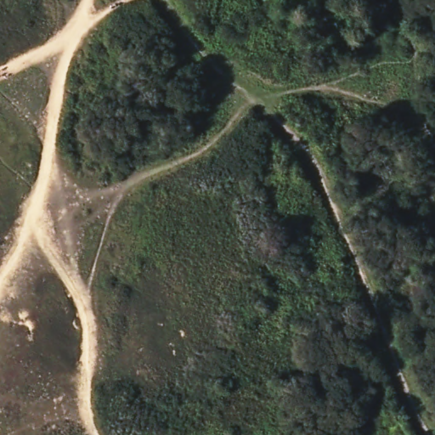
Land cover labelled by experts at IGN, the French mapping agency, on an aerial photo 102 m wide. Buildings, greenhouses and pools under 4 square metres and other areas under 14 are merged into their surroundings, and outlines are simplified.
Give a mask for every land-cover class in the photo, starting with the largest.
<instances>
[{"label":"herbaceous vegetation","instance_id":"1","mask_svg":"<svg viewBox=\"0 0 435 435\"><path fill-rule=\"evenodd\" d=\"M56 32L48 25V15L42 7V0H0V65H5L10 59L46 44ZM285 0H224L221 24L214 34H207L199 20H194L187 27L195 39L201 41L202 46L211 53L201 61L202 73L197 76L199 85L206 88V99L202 100L199 112L184 114L185 124L192 126V133L199 138L201 144L206 143L207 136L217 133L221 127L226 126L229 116L234 112L233 102L228 99V95L233 93L236 85L245 87L255 97V105H262L267 114H279L284 105L292 104V100L296 99L292 93L309 92L308 85H323L333 82L338 76H343L340 87L353 92H370L381 99L384 104L382 107L386 110L389 121L398 122L404 133L408 136H421L427 141L425 148L435 163V129L428 126L425 116L416 112L411 105L421 93V80H415V65L398 59L359 61L347 58L338 68H330L328 73L323 75H314L313 71H309L313 61L311 42L306 37V29L313 27L314 19H306L302 12L297 10L292 14L284 12L282 5ZM53 78L36 63L19 73H10L7 80H0V246L5 245V234L15 228L17 219L22 214V204L36 185L42 156L39 129L48 122L46 107ZM268 127L248 112L234 126L231 133L226 134L209 150V155L189 161L173 172L163 173L155 180H146L143 184L127 190L110 224H105V206L114 202L112 194L107 195L105 199L85 202L73 214L71 238L75 250L80 253V279L82 282L88 279L92 263L97 265V275L90 289V306L97 323L92 410L93 421L100 435H143V432L136 428H122L121 420H131V415L119 413V416L110 418L109 401L100 398L105 394L102 381L114 382L124 377L136 376V382L144 387L168 389V382H173L180 393L187 391L192 394L201 386L202 379L219 381L226 391L236 393L240 391V379L236 376L240 374V369L236 362V352L241 347H246L248 342L251 345H260L263 348V359L270 360L282 372L308 369V365L313 362V342H302L301 335H311L314 331V326L291 325L285 328L284 318L291 311L289 297L280 296L279 301H275L267 297L268 289L279 292V279L274 275L277 268H289L292 272L294 260L297 258L285 253L292 246L285 236V228L268 221V217L265 216V197L260 195L253 184V175L262 170L258 165L255 150L258 139ZM58 168H61L70 180L80 185V189H107L110 185L97 170H88L82 165L78 172H75L71 165V156L59 155L56 151ZM396 156L381 155L376 151L367 158L359 156L357 161V172L360 173L355 182L359 189V197L370 194L374 199H381L387 190L394 189ZM31 260L22 265L25 268V279L17 282V296L8 301V313L0 314V435H87L78 410L82 321L78 318L75 302L68 294L66 285L54 272L46 255L42 250L39 253H29ZM410 275L401 285V292L408 294L411 301L415 297H420L421 289L427 287L423 268L413 265L410 268ZM394 348L403 360L406 386L415 398L420 399L423 418L421 428L435 433V401L428 398L427 393H423V389L416 381L413 372L416 360L415 342L399 338L401 325L394 319L391 321Z\"/></svg>","mask_w":435,"mask_h":435},{"label":"brushwood","instance_id":"2","mask_svg":"<svg viewBox=\"0 0 435 435\"><path fill-rule=\"evenodd\" d=\"M172 31L158 17L155 8L151 7L150 0H134L122 3L121 7H117L105 19L100 20L99 24L83 37L73 54L66 75L65 100L59 116L56 151L59 155L71 156V165L75 172H78L82 165L88 170H97L110 185L124 182L134 173L143 172L146 168L167 163L178 156L189 155L201 144L199 138L192 133V126L185 124L184 114L199 112L202 100L206 99V88L199 85L197 76L202 73L201 61L194 58L189 65L182 54L173 56L175 42L172 41ZM167 2L168 7L177 12L187 27L194 20H199L207 34H214L221 24L224 0H163ZM328 10L336 19L345 22L340 32L348 46H359L360 42L374 31L365 15L364 0H330ZM296 99L292 100V104L284 105L279 114L282 117L291 114L292 122L299 124V131L313 133L321 153L325 156V163L331 161L338 168L342 178L338 184H333V190L340 194V201L336 204L340 207L342 216L335 219L331 207H323V202L313 187L306 180H302L299 165L284 168L289 150L277 141L275 134L268 127L258 139L255 150L258 165L262 170L253 175V184L260 195L265 197V216L268 217V221L285 228V236L292 246L285 253L297 258L294 260L292 272L289 268H277L274 275L279 279V292L268 289L267 297L275 301H279L280 296L289 297L291 311L284 318L285 328L291 325L314 326V331H330L331 326L343 319V311L347 304H357V285L362 284V279L353 260L352 251L348 250L347 241L343 238L345 234H350L352 238L359 229L353 226V216H357L360 209H374L389 219V223L401 224L403 228L408 229L413 238V245L418 248L420 255H432L435 246V163L425 148L427 141L421 136H408L404 133L398 122L389 121L386 110L382 107L367 104L362 100L348 99L336 93L309 92L292 93ZM376 151L381 155L396 156L394 189L387 190L381 199H374L370 194L359 197V189L355 182L360 173L357 172V161L359 156L367 158ZM236 362L240 369V374L236 376L240 379V391L236 393L226 391L219 381L202 379L201 386L192 394L187 391L180 393L173 382H168V389L144 387L136 382V376L124 377L114 382L102 381L105 394L100 398L109 401L110 418L119 416V413L131 415V420H121L122 428H136L143 432V435H280L282 428L285 427L284 404L280 401H270L265 382L279 381L282 372L270 360L263 359V348L260 345H251L248 342L246 347H241L236 352ZM374 435H415L411 432L404 415L398 413L396 408L387 411L382 406Z\"/></svg>","mask_w":435,"mask_h":435},{"label":"pervious surface","instance_id":"3","mask_svg":"<svg viewBox=\"0 0 435 435\"><path fill-rule=\"evenodd\" d=\"M134 0H80L75 14L71 15V19L61 31L56 32L46 44L10 59L5 65H0V80H7L10 73H19L36 63L53 78L46 107L48 122L39 129L42 156L36 185L22 204V214L17 219L15 228L5 234V245L0 246V314L8 313V301L17 296V282L25 279V268L22 265L31 260L29 253H39L42 250L46 255L54 272L66 285L68 294L75 302L78 318L82 321L78 410L87 435H100L93 421L92 410L97 323L90 306V289L97 275V265L92 263L88 279L82 282L80 279V253L75 250L71 238L73 214L85 202L105 199L107 195L112 194L114 202L105 206V224H110L127 190L143 184L146 180H155L163 173L173 172L189 161L209 155V150L226 134L231 133L234 126L248 112L268 127L275 134L277 141L289 150L284 168L299 165L302 180H306L313 187L323 202V207H331L335 219L342 216L340 207L336 204L340 201V194L333 190V184H338L342 178L338 168L331 161L325 163V156L321 153L313 133L299 131V124L292 122L291 114L282 117L279 114H267L262 105H255V97L245 87L236 85L233 93L228 95V99L233 102L234 112L229 116L226 126L221 127L217 133L207 136L206 143L201 144L189 155L178 156L167 163L146 168L143 172L134 173L124 182L110 185L107 189H80V185L70 180L61 168H58L56 151L59 116L65 100L66 75L73 54L83 37L99 24L100 20L105 19L117 7H121L122 3ZM151 7L155 8L158 17L172 31V41L175 42L173 56L182 54L189 65L194 58L201 61L211 53L202 46L201 41L195 39L177 12L168 7L167 2L163 0H150ZM343 76H338L333 82L323 85H308L309 92L336 93L348 99L362 100L367 104L382 107L384 104L381 99L370 92H353L340 87ZM343 238L347 241L348 250L352 251L353 260L362 279V284L357 285V304L364 306L365 313L376 321L374 330L367 338H355L357 352L362 353L365 360L376 362L377 367L386 372L387 379L381 382L384 389L393 386L396 408L398 413L404 415L411 432L415 435H435V433L421 428L423 418L420 399L415 398L406 386L403 360L394 348L391 321L394 319L413 311L411 301L408 294L401 292L384 291L381 294V272L365 267L362 260L364 250L362 246H355L352 238L350 234H345Z\"/></svg>","mask_w":435,"mask_h":435},{"label":"deciduous trees","instance_id":"4","mask_svg":"<svg viewBox=\"0 0 435 435\"><path fill-rule=\"evenodd\" d=\"M330 0H285L282 5L284 12L292 14L297 10L302 12L306 19H314L313 27L306 29V37L311 42L313 61L309 71H313L314 75H323L328 73L330 68H338L347 58L359 61L398 59L415 65V80H421V93L411 105L416 112L425 116L428 126L435 129V0H364L365 15L374 31L360 42L359 46H348L340 32L345 22L336 19L328 10ZM353 226L359 229L352 238L355 246H362L364 250L362 260L365 267L381 272V294L384 291L401 292V285L410 275V268L413 265L423 268L427 287L421 289L420 297H415L411 301L413 311L394 319L401 325L399 338L415 342L416 360L413 372L416 381L423 389V393H427L428 398L435 401V246L432 255H420L418 248L413 245V238L408 229L403 228L401 224L389 223V219L374 209H360L357 216H353ZM376 321L365 313L364 306L357 304H347L343 311V319L331 326L330 331H314L311 335H301L302 342H313V362L308 365V369L282 372L279 381L265 382L270 401H280L284 404L285 427L282 428L280 435H374L382 406L384 389L381 382L387 379L386 372L377 367L376 362L365 360L362 353L357 352L355 338H367L374 330Z\"/></svg>","mask_w":435,"mask_h":435},{"label":"bare soil","instance_id":"5","mask_svg":"<svg viewBox=\"0 0 435 435\"><path fill-rule=\"evenodd\" d=\"M80 0H42V7L48 15V25L56 32L61 31L71 19V15L75 14ZM382 406L387 411L396 408L393 386L384 389Z\"/></svg>","mask_w":435,"mask_h":435}]
</instances>
